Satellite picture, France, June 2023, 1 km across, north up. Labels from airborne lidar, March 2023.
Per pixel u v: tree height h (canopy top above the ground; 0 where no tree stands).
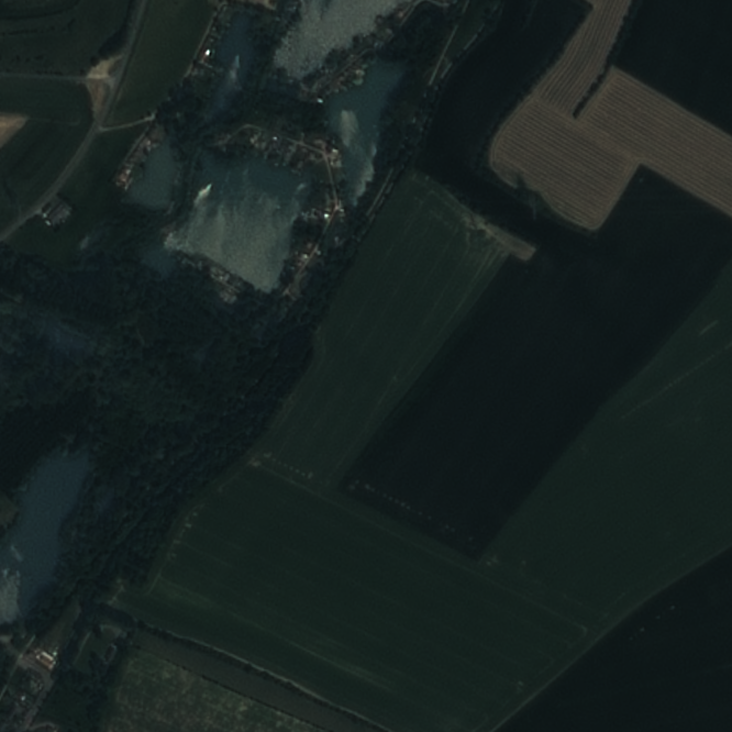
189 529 0
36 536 0
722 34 0
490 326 0
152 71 0
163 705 0
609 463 0
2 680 13
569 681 0
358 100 0
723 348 0
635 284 0
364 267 0
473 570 0
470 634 0
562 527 0
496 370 0
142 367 10
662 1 0
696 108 0
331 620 0
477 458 0
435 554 0
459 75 0
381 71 0
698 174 0
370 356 0
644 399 0
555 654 0
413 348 0
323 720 0
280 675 0
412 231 0
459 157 0
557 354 0
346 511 0
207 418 18
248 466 0
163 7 0
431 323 0
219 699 0
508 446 0
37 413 13
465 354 0
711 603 0
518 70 0
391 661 0
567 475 0
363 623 0
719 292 0
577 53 0
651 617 0
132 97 0
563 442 0
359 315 0
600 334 0
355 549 0
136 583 10
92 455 9
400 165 14
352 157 0
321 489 0
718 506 0
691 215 0
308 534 0
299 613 0
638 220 0
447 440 0
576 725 0
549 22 0
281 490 0
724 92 0
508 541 0
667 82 0
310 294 7
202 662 0
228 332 9
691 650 0
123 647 18
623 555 0
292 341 30
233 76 0
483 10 0
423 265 0
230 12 0
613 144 0
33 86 0
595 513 0
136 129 0
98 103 0
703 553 0
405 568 0
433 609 0
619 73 0
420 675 0
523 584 0
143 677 0
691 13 0
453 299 0
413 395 0
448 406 0
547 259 0
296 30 0
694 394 0
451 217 0
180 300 22
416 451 0
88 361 22
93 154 0
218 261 0
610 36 0
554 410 0
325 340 0
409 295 0
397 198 0
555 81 0
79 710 0
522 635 0
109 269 34
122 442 8
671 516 0
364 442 0
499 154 0
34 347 31
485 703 0
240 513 0
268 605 0
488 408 0
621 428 0
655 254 0
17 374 34
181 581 0
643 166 0
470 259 0
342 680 0
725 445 0
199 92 0
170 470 15
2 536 13
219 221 0
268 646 0
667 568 0
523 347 0
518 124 0
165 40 0
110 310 31
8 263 24
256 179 0
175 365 11
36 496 0
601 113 0
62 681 16
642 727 0
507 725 0
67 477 0
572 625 0
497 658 0
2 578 0
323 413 0
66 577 21
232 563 0
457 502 0
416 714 0
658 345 0
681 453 0
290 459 0
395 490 0
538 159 0
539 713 0
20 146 0
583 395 0
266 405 19
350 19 0
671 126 0
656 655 0
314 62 0
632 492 0
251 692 0
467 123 0
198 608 0
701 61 0
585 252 0
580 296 0
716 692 0
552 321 0
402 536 0
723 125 0
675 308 0
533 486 0
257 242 0
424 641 0
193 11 0
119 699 0
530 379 0
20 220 0
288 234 0
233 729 0
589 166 0
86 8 0
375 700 0
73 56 0
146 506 11
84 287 32
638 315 0
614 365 0
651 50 0
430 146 0
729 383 0
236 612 0
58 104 0
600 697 0
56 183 0
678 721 0
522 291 0
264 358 8
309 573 0
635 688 0
